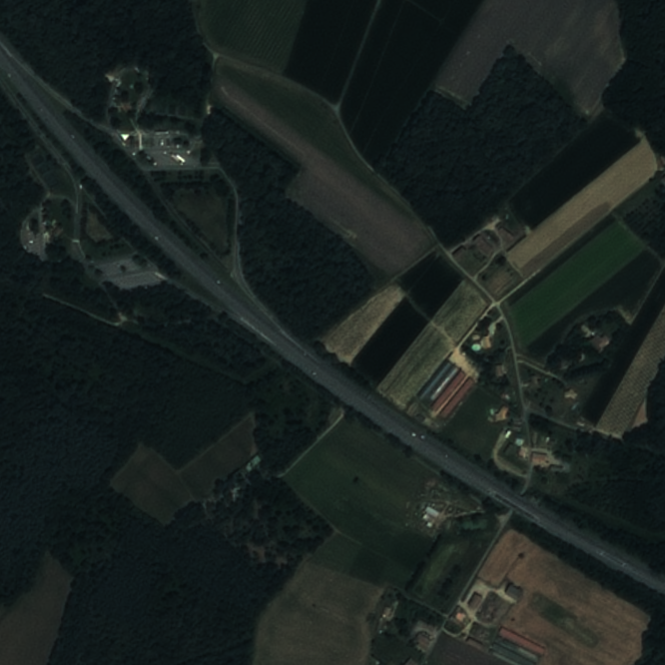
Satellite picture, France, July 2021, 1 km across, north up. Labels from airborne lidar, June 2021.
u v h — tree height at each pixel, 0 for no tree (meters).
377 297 0
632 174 0
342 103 0
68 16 14
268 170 22
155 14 25
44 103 0
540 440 0
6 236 20
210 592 10
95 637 9
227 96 0
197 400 11
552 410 10
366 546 0
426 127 20
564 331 0
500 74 14
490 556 0
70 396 13
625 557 0
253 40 0
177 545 12
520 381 0
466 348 8
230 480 13
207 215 0
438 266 0
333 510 0
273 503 9
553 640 0
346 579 0
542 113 23
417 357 0
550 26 0
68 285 8
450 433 0
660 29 24
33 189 19
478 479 0
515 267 0
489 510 18
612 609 0
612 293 0
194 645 6
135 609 12
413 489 0
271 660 0
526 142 22
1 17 15
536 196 0
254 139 21
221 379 11
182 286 0
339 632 0
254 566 6
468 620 0
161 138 0
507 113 20
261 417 12
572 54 0
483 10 0
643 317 0
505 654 0
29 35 17
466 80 0
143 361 18
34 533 21
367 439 0
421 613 5
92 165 0
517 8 0
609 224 0
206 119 7
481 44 0
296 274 25
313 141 0
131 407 12
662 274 0
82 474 22
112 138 7
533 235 0
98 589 14
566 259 0
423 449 0
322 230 16
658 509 24
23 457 20
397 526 0
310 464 0
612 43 0
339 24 0
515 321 0
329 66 0
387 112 0
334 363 10
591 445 16
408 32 0
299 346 0
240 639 8
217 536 10
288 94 0
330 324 18
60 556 16
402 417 0
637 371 0
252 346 17
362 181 0
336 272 23
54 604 0
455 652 0
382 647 0
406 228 0
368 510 0
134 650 9
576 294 0
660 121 28
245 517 13
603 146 0
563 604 0
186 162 0
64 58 22
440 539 13
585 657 0
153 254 11
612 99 10
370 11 0
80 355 20
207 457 0
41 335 17
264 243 20
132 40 21
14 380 18
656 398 17
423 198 19
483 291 0
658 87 26
